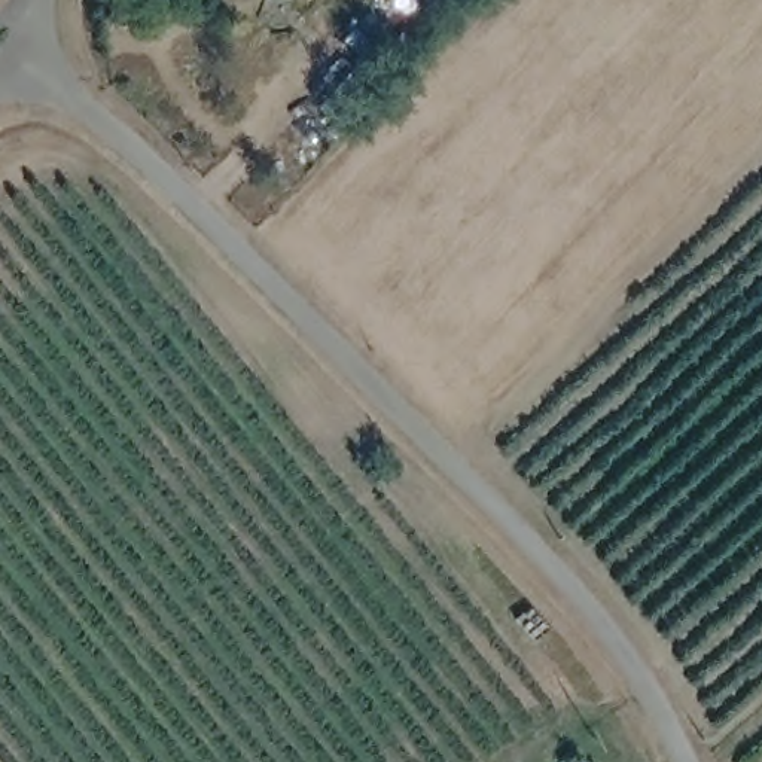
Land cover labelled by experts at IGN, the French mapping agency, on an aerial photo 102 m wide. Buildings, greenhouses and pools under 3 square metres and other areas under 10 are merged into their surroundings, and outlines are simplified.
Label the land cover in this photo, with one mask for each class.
<instances>
[{"label":"deciduous trees","instance_id":"1","mask_svg":"<svg viewBox=\"0 0 762 762\"><path fill-rule=\"evenodd\" d=\"M92 54H104L110 48L104 30L107 24L128 27L137 39H158L161 30L173 24L191 27L193 33L196 48L202 54L196 80L199 101H205L211 113H217L226 104L238 101V95L232 89H223L217 77V60H229L232 54L229 33L235 24V9L223 0H83ZM512 0H417V12H396L381 27L375 57L363 60L357 74H351L333 98L339 104V113H333L330 131L345 134L354 146L372 143L381 125L405 122V116L414 107V98L423 92V77L435 65L438 54L449 42L461 39L473 18H497L500 9ZM241 158L247 164V176L253 185H259L265 173L274 170V155L262 149L253 146L250 137H238ZM762 188V167L747 173L720 202V208L711 217H705V223L691 238H685L646 280L631 283L625 292L628 298H637L655 289L676 265H682L694 253L697 244H702L714 229H720L753 191ZM33 193L54 214L51 220H39V214L27 205L21 193L12 196V205L18 208L15 217H9L0 208V226L15 238V244L36 265V271L54 286L42 295L0 244V762H473L458 735L441 717L444 711H452L473 735V741L485 753H491L494 747L512 741L509 723L515 717L521 723L533 720L530 711L503 685L491 664L476 652L464 631L452 622V616L435 601L429 586L411 569V563L390 545L384 530L372 521V515L327 467L316 444L295 426L289 411L265 387V381L241 360L232 342L202 313V307L185 289V283L167 268L161 253L128 220V214L110 196L107 185L98 193H92L89 176H74L51 193L42 179L30 182ZM762 223V208L726 244L705 256L691 274L676 280L658 301H652L643 313L622 321L619 330L610 333L589 357H583L574 369L557 378L554 387L539 399V405H533L527 414L518 417L515 426L497 435V446H506L512 438L524 435V429L542 420L563 399L566 390H572L613 351H619L649 318L664 313L685 289L699 283L714 265H720L732 250L741 247L750 229ZM515 473L530 488H536L548 500V506H554L586 545L595 548V557L610 569V577L625 592V598L637 604L643 616L664 634L688 682L711 670L726 652H732L747 634H753L762 625V241L717 286L699 295L673 324L661 327V333L652 342H646L631 360H625L616 375H610L592 396L577 402L545 438H539L515 461ZM357 467L369 479L390 482L402 473V461L384 441L372 458L357 461ZM381 512L399 527L408 545L435 572L438 583L452 595V601L467 613V619L485 634L491 649L533 694L536 705L551 711L554 699L542 691L527 664L500 640L494 625L444 569L441 557L420 539L417 527L384 494L378 497ZM762 688V643H756L711 685L697 691L702 711L711 723H723ZM732 762H762V726L744 741H738V747L732 750Z\"/></svg>","mask_w":762,"mask_h":762},{"label":"herbaceous vegetation","instance_id":"2","mask_svg":"<svg viewBox=\"0 0 762 762\"><path fill-rule=\"evenodd\" d=\"M63 60L80 83L83 98L92 101L98 110L128 122L161 158L185 170H193L196 176H211L220 161L232 155L241 158L238 137L226 146H214L211 137L199 131L170 98L152 57L113 54L110 48L104 54H92L83 0H57ZM235 9V24L229 33L232 54L229 60H217V77L223 89H232L238 95V101L226 104L217 113L223 125L241 122L247 116V107L256 104V83H268L280 71V63L286 60L292 45L310 54V48L330 30V15L339 9V0H223ZM286 131L271 134V140L262 149L274 155V170L265 173L259 185H253L247 176L232 185L226 202L250 226H259L256 238L268 247V253L277 256V262L292 277L301 280L304 274H313L324 295L336 301L339 316L360 318L363 330L372 336L375 354L384 357L390 366L393 387L411 390L417 405L435 411V429L452 438L458 455L482 476V482L491 485L506 500V506H512L604 604L607 616L622 628L628 646L637 652V661L646 667V679L667 705L670 717L682 723L688 717H699L702 711L697 691L711 685L756 643H762V625L753 634H747L732 652H726L711 670L688 682L664 634L643 616L637 604L625 598V592L610 577V569L595 557V548L586 545L554 506H548V500L536 488H530L515 473V461L539 438H545L577 402L592 396L610 375H616L625 360H631L646 342H652L661 333V327L673 324L699 295L717 286L762 241V223L750 229L741 247L732 250L720 265H714L699 283L685 289L664 313L649 318L619 351H613L572 390H566L563 399L542 420L524 429V435L512 438L506 446H497V435L515 426L518 417L527 414L533 405H539V399L554 387L557 378L574 369L583 357H589L610 333L619 330L622 321L643 313L652 301H658L676 280L691 274L705 256L726 244L762 208V188L753 191L720 229H714L702 244H697L694 253L682 265H676L655 289L637 298H628L625 292L631 283L646 280L685 238H691L705 223V217H711L720 208V202L747 173L762 167V0H512L500 9L497 18H473L461 39L449 42L438 54L435 65L423 77V92L414 98V107L405 116V122L381 125L372 143L354 146L345 134L330 131L333 113H339V104L333 98L324 104H313L310 92L292 98L286 104ZM170 54L179 77L188 83L196 80L202 54L196 48L193 33L173 39ZM74 176H89L92 193H98L107 185L110 196L128 214V220L161 253L167 268L185 283V289L202 307V313L232 342L241 360L265 381V387L289 411L295 426L316 444L327 467L372 515V521L384 530L390 545L411 563V569L429 586L435 601L452 616V622L464 631L476 652L491 664L503 685L530 711L533 720L521 723L515 717L509 723L512 741L494 747L491 753H485L473 741V735L452 711H444L441 717L458 735L473 762H673L670 747L658 741V732L652 729L646 708L640 705V697L631 685H625V679L616 676L601 637H592L586 622H577L569 604L560 601L563 589L542 572V566L530 554H524V548L494 521L488 509H482L473 497L464 500L417 449H411L405 438L396 435L387 411L378 408L372 399L360 396L345 381V375L318 354V348L286 316H280L271 307V301L259 289H253V283L238 268H232L220 256V250L173 205V199L158 185L143 179L119 152H113L95 134H89L83 122L71 119L54 101L0 98V208L9 217H15L18 208L12 205V196L21 193L27 205L39 214V220H51L54 214L33 193L30 182L42 179L51 193ZM384 441L402 461V473L390 482L369 479L357 467V461L372 458ZM384 494L417 527L420 539L441 557L444 569L494 625L500 640L527 664L542 691L554 699L551 711L536 705L533 694L491 649L485 634L467 619V613L452 601V595L438 583L435 572L408 545L399 527L381 512L378 497ZM0 244L42 295L54 286L36 271V265L15 244V238L0 226ZM699 762H732V750L738 747V741H691Z\"/></svg>","mask_w":762,"mask_h":762},{"label":"impervious surface","instance_id":"3","mask_svg":"<svg viewBox=\"0 0 762 762\"><path fill-rule=\"evenodd\" d=\"M0 98L54 101L71 119L83 122L89 134H95L113 152H119L143 179L158 185L173 199V205L220 250V256L232 268H238L253 283V289H259L271 301V307L280 316H286L318 348V354L345 375V381L360 396L372 399L378 408L387 411L396 435L405 438L411 449H417L464 500L473 497L482 509H488L494 521L524 548V554H530L542 566V572L563 589L560 601L569 604L577 622H586L592 637H601L616 676L625 679V685H631L640 697V705L646 708L652 729L658 732V741L670 747L673 762H699L691 741L682 723L670 717L667 705L646 679V667L637 661V652L628 646L622 628L607 616L604 604L512 506H506V500L491 485L482 482V476L458 455L452 438L435 429V411L417 405L411 390L393 387L390 366L384 357L375 354L372 336L363 330L360 318L339 316L336 301L324 295L313 274H304L301 280L292 277L277 262V256L268 253V247L256 238L259 226H250L226 202L223 208H217L211 199H205L193 188L196 176L193 170H185L161 158L128 122L98 110L92 101L83 98L80 83L63 60L57 0H0Z\"/></svg>","mask_w":762,"mask_h":762},{"label":"pervious surface","instance_id":"4","mask_svg":"<svg viewBox=\"0 0 762 762\"><path fill-rule=\"evenodd\" d=\"M396 12H417V0H339V9L330 15V30L310 48V54L292 45L286 60L280 63V71L268 83H256V104L247 107V116L241 122L223 125L217 113H211L205 101H199L196 80L188 83L179 77L170 54L173 39L193 33L191 27L173 24L161 30L158 39H137L128 27L107 24L104 30L110 48L113 54L152 57L170 98L199 131L211 137L214 146H226L238 137H250L253 146L262 149L271 140V134L286 131V104L292 98L310 92L313 104H324L333 98L351 74H357L363 60L375 57L381 27ZM247 176V164L241 158L232 155L220 161L211 176H196L193 188L205 199H211L217 208H223L226 202L232 185ZM691 741H744L762 726V688L723 723H711L702 711L699 717H688L682 723Z\"/></svg>","mask_w":762,"mask_h":762}]
</instances>
